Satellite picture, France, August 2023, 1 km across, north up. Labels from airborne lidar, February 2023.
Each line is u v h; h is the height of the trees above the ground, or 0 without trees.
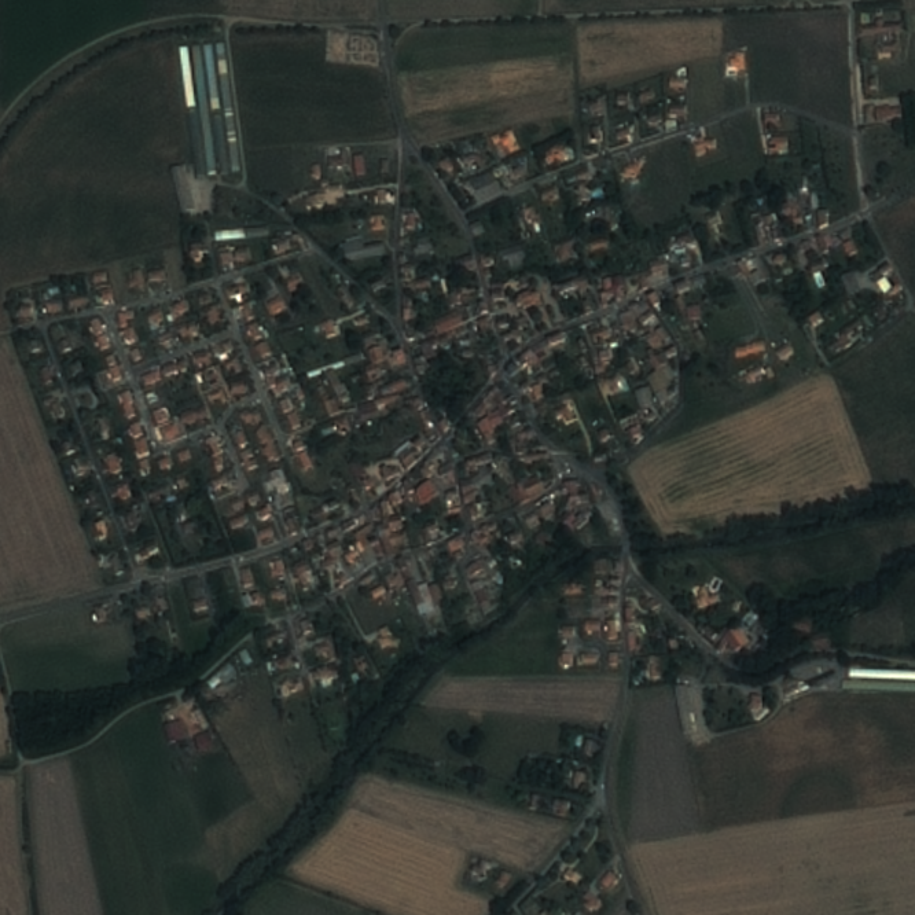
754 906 0
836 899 0
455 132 0
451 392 7
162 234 0
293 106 0
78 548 0
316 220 11
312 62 0
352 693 7
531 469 9
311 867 0
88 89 0
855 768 0
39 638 0
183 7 0
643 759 0
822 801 0
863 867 0
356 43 0
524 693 0
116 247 0
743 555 0
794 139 0
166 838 0
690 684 0
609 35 0
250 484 0
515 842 0
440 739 0
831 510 16
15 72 0
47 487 0
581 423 0
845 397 0
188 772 0
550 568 17
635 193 0
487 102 0
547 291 0
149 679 23
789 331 0
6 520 0
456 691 0
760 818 0
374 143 0
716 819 0
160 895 0
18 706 12
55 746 9
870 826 0
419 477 8
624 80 0
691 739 0
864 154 0
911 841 0
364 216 7
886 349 0
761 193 13
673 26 0
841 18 0
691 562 0
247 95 0
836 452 0
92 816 0
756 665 21
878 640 0
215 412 0
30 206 0
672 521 0
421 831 0
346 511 0
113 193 0
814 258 10
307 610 0
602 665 0
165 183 0
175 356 0
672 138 0
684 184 0
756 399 0
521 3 0
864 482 0
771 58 0
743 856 0
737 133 0
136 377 0
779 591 0
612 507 0
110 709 9
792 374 0
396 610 0
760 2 0
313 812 14
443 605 10
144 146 0
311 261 0
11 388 0
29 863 0
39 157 0
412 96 0
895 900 0
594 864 0
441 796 0
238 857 0
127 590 0
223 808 0
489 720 0
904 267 0
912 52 0
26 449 0
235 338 0
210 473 0
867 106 0
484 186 0
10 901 0
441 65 0
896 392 0
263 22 0
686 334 0
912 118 12
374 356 0
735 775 0
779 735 0
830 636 10
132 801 0
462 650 11
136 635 9
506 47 0
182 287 0
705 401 0
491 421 0
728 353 0
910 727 0
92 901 0
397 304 0
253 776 0
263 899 0
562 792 10
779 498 0
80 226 0
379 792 0
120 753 0
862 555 0
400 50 0
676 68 0
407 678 18
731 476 0
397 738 0
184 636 0
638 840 0
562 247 0
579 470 0
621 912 0
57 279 9
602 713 0
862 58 7
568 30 0
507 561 7
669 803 0
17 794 0
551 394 13
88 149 0
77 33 0
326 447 7
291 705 0
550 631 0
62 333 0
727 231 0
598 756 9
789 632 13
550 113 0
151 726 0
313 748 0
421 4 0
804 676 0
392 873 0
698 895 0
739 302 0
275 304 0
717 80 0
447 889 0
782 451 0
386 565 0
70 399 0
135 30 0
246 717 0
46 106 0
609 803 0
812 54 0
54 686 0
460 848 0
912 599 0
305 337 0
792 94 0
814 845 0
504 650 0
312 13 0
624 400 0
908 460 0
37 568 0
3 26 0
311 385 6
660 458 0
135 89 0
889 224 0
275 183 0
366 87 0
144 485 7
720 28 0
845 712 0
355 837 0
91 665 0
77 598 0
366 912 0
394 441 0
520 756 0
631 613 0
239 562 0
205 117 0
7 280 0
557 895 0
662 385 0
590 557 13
